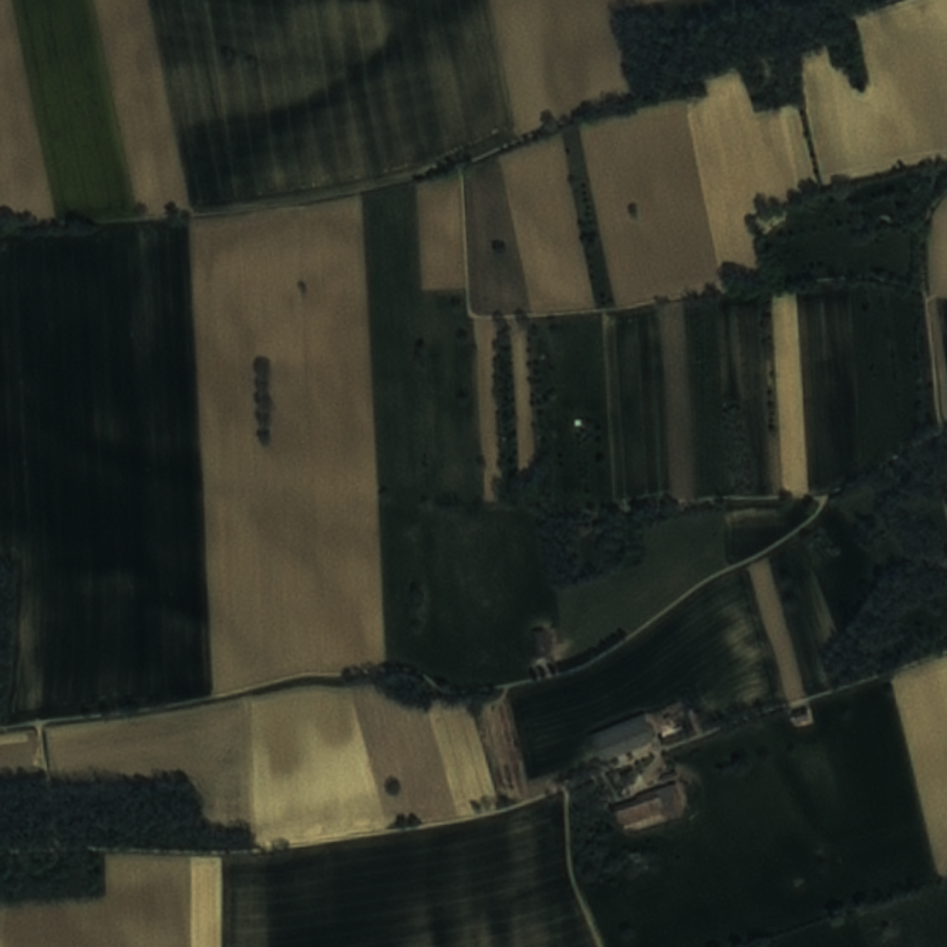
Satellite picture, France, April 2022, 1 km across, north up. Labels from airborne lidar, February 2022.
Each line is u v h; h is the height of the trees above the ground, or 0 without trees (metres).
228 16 0
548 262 0
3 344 0
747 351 0
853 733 0
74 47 0
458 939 0
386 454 0
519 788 0
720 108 0
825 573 0
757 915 0
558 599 0
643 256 0
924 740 0
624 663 0
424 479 0
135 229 0
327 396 0
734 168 0
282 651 0
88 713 10
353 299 0
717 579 0
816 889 0
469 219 0
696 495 0
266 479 0
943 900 0
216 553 0
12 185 0
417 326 0
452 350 0
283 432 0
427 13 0
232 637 0
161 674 0
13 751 0
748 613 0
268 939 0
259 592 0
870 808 0
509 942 0
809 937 0
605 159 0
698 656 0
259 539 0
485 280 0
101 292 0
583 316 0
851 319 0
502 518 0
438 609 0
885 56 0
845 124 0
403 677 18
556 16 0
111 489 0
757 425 0
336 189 0
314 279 0
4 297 0
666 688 0
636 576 0
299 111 0
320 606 0
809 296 0
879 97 0
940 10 0
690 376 0
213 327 0
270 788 0
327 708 0
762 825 0
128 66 0
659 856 10
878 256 0
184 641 0
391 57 0
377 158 0
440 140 0
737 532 0
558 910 0
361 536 0
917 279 13
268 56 0
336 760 0
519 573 0
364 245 0
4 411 0
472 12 0
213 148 0
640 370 0
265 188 0
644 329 0
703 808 0
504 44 0
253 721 0
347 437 0
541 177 0
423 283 0
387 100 0
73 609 0
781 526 0
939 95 0
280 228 0
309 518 0
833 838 0
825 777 0
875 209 0
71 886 19
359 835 0
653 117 0
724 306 0
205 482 0
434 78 0
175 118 0
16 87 0
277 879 0
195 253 0
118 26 0
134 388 0
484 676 0
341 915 0
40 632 0
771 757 13
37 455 0
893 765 0
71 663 0
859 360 0
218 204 0
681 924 0
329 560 0
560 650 0
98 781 22
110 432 0
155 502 0
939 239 0
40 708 0
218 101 0
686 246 0
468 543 0
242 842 20
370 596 0
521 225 0
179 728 0
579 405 0
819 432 0
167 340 0
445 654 0
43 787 22
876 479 16
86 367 0
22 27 0
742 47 23
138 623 0
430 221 0
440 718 0
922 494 30
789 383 0
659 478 0
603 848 12
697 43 27
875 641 26
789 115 0
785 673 0
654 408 0
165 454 0
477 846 0
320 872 0
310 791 0
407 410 0
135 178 0
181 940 0
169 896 0
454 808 0
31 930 0
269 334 0
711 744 0
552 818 0
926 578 23
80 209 0
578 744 0
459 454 0
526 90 0
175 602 0
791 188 0
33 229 13
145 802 20
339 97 0
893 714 0
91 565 0
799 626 0
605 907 0
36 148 0
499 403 6
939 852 0
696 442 0
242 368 0
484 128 0
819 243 0
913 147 0
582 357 0
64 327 0
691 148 0
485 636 0
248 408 0
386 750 0
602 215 0
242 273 0
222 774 0
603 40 0
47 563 0
